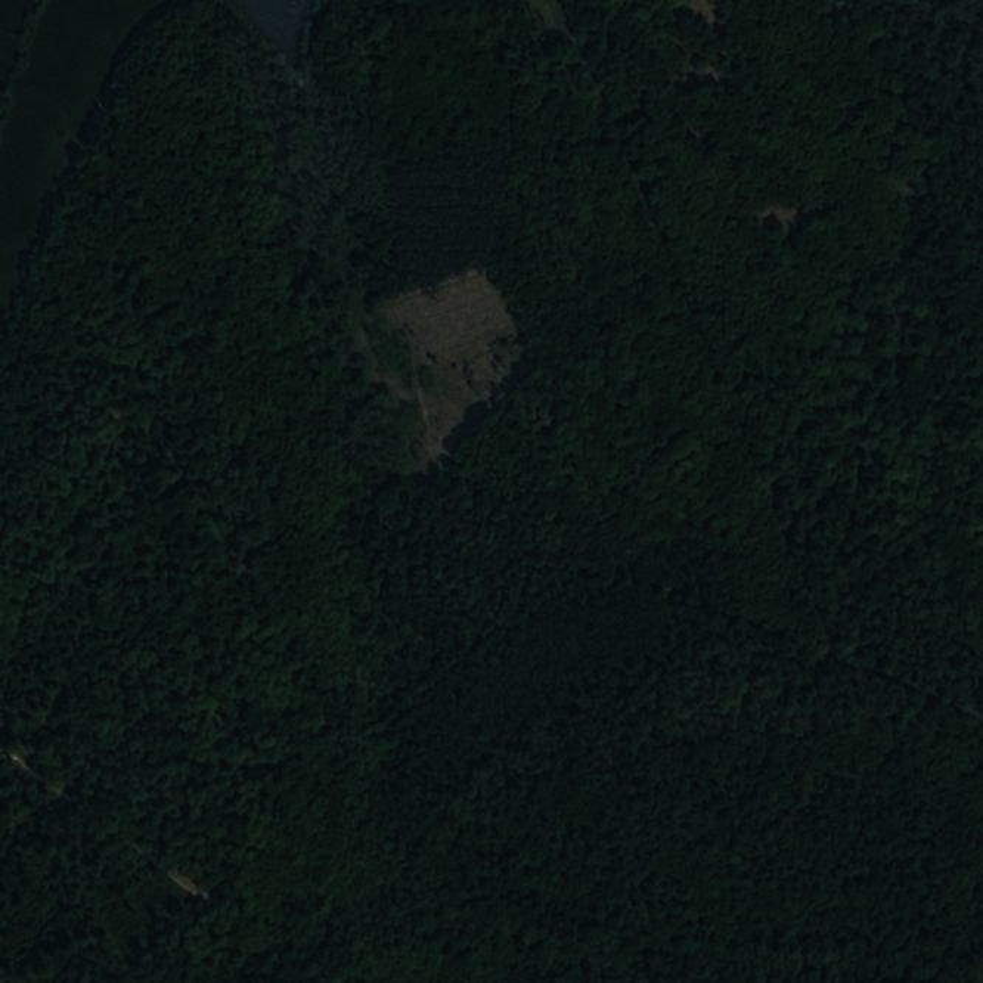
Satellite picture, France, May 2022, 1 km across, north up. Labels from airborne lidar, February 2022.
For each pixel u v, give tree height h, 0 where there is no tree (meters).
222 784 32
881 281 27
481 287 0
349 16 27
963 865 26
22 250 0
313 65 23
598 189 24
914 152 23
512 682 17
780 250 22
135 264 30
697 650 30
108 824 32
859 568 31
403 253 21
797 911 28
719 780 19
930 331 31
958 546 27
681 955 13
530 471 25
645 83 24
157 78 28
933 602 30
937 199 21
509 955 25
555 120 23
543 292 23
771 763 22
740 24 25
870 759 20
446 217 19
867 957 24
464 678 13
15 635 34
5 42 0
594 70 25
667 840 25
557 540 19
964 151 25
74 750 32
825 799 16
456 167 19
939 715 29
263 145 27
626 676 27
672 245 22
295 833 24
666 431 21
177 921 30
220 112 30
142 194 22
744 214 23
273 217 28
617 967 27
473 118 22
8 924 32
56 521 33
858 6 29
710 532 21
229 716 28
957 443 30
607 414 27
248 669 35
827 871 24
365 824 27
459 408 0
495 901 28
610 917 26
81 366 25
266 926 24
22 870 30
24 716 32
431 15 27
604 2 26
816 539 31
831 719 29
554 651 15
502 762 27
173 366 28
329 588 26
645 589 14
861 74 27
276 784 32
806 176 27
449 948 30
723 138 24
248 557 34
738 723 30
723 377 28
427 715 10
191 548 35
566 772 16
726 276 24
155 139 26
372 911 23
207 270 27
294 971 26
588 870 25
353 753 26
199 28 26
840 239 26
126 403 35
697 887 23
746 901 23
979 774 21
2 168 0
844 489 25
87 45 0
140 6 0
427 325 0
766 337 28
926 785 23
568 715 29
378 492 28
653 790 28
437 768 10
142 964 28
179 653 33
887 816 24
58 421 31
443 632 25
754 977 23
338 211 26
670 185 26
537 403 29
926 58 25
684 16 21
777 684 26
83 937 33
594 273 24
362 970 29
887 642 30
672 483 28
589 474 27
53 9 0
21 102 0
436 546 28
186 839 33
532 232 24
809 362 29
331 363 26
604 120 28
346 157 24
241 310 30
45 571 35
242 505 33
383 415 25
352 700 20
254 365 25
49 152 0
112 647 25
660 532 24
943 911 27
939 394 27
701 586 23
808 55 27
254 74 27
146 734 30
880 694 29
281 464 26
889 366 32
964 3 22
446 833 23
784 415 32
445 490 26
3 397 24
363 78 19
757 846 18
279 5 0
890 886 22
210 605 25
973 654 30
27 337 23
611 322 17
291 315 31
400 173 20
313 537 27
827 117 27
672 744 26
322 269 22
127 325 32
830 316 30
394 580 26
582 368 26
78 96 0
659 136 26
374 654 23
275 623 28
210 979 13
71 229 27
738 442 22
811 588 27
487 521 30
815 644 21
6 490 33
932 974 21
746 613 20
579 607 30
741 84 28
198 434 33
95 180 30
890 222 23
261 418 25
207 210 26
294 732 19
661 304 25
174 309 31
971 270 27
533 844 24
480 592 25
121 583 33
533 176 28
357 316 0
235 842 27
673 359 26
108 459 33
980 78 27
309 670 30
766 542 23
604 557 22
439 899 26
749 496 26
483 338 0
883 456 32
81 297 25
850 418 35
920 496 30
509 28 21
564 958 20
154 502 29
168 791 33
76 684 25
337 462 27
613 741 29
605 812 16
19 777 0
